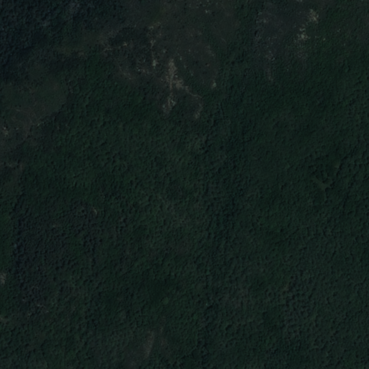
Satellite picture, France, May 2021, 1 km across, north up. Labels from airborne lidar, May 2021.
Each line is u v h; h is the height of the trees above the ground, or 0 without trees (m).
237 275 17
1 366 20
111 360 15
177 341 8
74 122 21
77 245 19
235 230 19
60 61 8
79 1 8
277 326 14
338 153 14
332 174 16
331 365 16
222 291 14
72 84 9
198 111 7
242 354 19
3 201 6
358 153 21
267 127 17
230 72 18
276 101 16
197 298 9
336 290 25
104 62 9
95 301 11
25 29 10
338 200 18
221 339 21
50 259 24
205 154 20
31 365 14
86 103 19
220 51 9
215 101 16
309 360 21
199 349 16
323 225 20
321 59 10
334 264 19
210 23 6
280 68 9
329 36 7
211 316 12
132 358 6
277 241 14
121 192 17
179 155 16
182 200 12
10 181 9
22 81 5
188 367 24
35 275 22
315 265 18
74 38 6
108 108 7
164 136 17
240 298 17
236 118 12
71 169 19
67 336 17
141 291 28
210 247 11
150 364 16
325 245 20
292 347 8
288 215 16
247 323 14
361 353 23
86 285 19
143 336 14
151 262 9
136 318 19
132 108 13
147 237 23
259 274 20
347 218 17
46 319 8
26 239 22
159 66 6
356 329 19
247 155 18
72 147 13
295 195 16
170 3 6
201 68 7
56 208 24
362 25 7
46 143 8
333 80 16
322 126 23
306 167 24
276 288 22
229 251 18
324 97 16
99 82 6
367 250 18
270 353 28
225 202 14
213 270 8
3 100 9
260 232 19
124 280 13
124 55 8
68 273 18
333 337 13
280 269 21
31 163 14
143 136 17
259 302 16
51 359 17
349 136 27
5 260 14
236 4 9
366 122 19
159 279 10
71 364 6
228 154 13
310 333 17
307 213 10
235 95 8
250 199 15
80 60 9
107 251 22
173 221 21
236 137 12
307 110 20
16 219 12
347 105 20
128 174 24
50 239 18
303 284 20
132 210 15
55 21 9
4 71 13
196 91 7
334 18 7
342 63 7
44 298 14
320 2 0
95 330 7
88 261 26
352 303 20
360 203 22
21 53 15
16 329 14
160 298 13
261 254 19
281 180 16
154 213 16
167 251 15
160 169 14
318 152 24
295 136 20
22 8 15
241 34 15
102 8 8
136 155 14
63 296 14
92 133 16
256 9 6
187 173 15
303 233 14
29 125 0
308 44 7
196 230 13
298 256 19
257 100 14
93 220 23
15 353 11
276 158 17
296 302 16
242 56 11
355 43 6
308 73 6
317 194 17
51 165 21
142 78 6
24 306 8
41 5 22
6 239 12
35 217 14
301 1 0
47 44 7
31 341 16
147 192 26
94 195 13
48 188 9
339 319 18
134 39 8
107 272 17
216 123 14
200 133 8
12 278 11
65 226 9
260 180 19
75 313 11
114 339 19
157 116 21
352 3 9
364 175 9
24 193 12
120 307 14
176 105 10
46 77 8
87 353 7
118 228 20
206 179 18
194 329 20
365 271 17
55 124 10
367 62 15
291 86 10
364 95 23
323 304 18
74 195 13
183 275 21
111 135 17
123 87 6
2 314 19
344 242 20
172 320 17
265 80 6
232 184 14
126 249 21
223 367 19
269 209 18
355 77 21
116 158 24
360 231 20
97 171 17
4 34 9
